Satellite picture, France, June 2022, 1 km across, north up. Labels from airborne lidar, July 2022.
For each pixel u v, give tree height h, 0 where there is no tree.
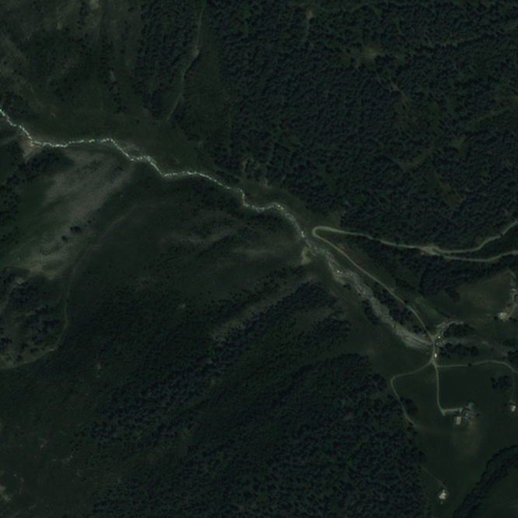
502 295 0
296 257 0
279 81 26
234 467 7
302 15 15
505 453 17
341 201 12
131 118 0
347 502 34
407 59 15
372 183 7
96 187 0
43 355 0
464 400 0
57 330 10
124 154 0
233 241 8
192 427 26
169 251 5
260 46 20
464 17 29
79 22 13
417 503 26
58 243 0
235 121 8
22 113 9
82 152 0
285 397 34
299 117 13
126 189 0
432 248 0
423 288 25
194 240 0
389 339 0
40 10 9
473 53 26
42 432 0
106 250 0
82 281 0
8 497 0
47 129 0
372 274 0
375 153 7
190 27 20
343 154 21
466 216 29
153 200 0
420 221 29
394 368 0
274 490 33
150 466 6
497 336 0
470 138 29
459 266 12
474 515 17
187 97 14
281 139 9
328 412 13
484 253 13
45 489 0
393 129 23
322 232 0
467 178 13
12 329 0
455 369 0
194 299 6
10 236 10
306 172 28
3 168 0
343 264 0
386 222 15
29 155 0
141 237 0
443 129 26
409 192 29
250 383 14
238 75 21
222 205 8
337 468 8
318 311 0
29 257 0
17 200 12
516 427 0
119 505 11
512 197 27
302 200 16
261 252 0
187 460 6
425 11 27
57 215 0
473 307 0
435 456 0
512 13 6
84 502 0
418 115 6
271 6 8
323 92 30
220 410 6
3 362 0
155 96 16
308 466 20
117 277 0
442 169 30
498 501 0
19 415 0
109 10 0
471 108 35
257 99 18
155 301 7
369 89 31
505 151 30
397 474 8
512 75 24
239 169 21
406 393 0
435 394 0
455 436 0
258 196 0
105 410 10
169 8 10
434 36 26
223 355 24
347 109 8
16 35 5
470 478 0
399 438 30
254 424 6
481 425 0
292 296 9
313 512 20
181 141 0
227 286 0
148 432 9
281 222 7
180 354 10
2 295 7
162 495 15
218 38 8
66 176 0
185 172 0
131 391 12
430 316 0
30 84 0
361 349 0
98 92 0
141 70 16
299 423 8
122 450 6
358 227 18
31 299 7
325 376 14
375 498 12
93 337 7
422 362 0
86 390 6
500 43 32
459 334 17
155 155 0
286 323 7
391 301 17
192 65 7
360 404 12
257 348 10
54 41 7
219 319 15
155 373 12
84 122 0
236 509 34
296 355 14
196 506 14
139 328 6
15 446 0
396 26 26
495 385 15
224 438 15
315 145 25
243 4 28
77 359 5
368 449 13
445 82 29
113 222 0
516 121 9
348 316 0
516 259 20
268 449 16
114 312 10
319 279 0
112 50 15
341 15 16
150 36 24
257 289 9
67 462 0
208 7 6
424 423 0
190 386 31
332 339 9
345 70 24
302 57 20
